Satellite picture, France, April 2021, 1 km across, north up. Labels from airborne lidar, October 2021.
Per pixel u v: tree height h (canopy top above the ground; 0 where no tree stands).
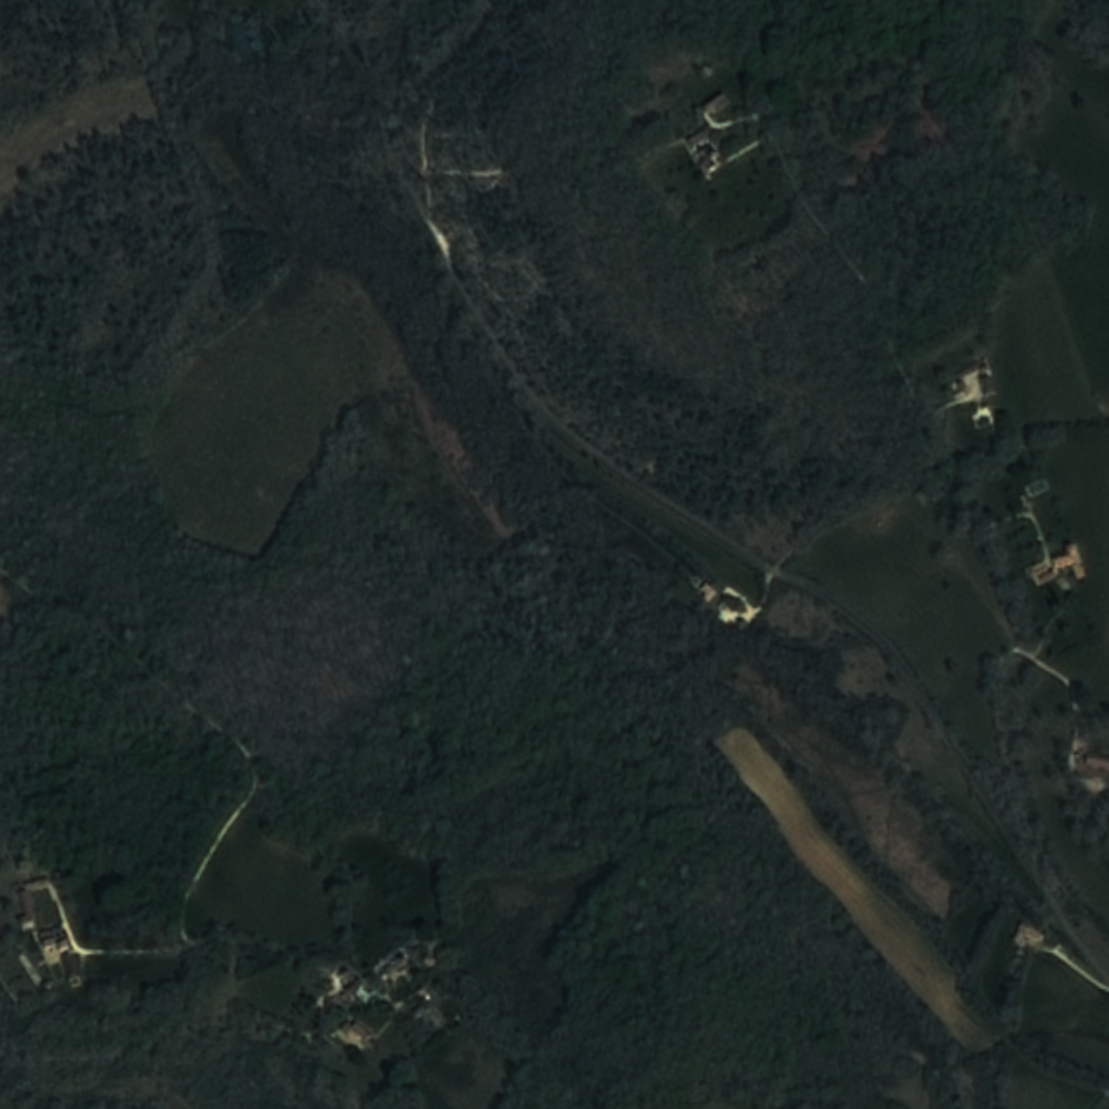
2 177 0
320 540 17
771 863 20
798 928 25
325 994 14
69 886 17
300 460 0
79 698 24
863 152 0
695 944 23
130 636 20
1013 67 25
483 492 9
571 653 21
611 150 12
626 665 21
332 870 15
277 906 0
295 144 16
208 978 24
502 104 11
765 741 16
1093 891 0
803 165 11
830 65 21
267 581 20
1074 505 0
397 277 21
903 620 0
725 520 13
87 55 16
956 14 25
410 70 12
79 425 21
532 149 15
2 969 0
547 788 15
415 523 18
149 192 13
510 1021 14
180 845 17
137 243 11
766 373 14
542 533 18
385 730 26
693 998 25
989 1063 12
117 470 15
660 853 27
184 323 18
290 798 18
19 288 15
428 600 19
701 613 13
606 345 13
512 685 30
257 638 22
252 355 0
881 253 23
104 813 15
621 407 12
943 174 23
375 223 21
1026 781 16
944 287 24
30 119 12
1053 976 0
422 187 10
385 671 23
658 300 14
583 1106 10
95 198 9
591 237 13
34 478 15
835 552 0
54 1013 13
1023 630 14
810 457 7
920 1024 22
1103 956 0
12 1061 19
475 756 25
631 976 24
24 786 26
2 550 15
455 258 9
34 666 21
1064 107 0
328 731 20
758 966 23
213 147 0
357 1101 14
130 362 8
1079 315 0
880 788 0
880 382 22
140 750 15
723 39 26
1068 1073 14
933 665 0
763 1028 23
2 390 24
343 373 0
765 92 17
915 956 0
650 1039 18
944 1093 8
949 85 20
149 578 16
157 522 17
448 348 21
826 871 0
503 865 20
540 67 11
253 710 24
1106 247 0
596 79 17
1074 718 12
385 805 25
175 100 7
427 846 23
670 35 26
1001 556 18
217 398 0
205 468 0
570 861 23
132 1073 11
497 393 23
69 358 11
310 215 20
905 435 15
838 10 19
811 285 24
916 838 0
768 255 16
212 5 7
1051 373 0
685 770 21
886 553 0
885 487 17
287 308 0
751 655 19
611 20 17
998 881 9
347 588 16
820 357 19
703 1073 22
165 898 20
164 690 22
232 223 18
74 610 19
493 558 9
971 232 28
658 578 18
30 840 21
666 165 0
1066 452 0
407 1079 19
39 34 15
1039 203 24
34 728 26
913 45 21
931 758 0
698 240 14
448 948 7
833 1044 23
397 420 0
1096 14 18
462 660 21
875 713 10
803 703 11
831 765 0
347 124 19
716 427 15
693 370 17
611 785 17
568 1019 17
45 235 11
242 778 15
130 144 10
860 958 20
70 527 23
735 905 23
